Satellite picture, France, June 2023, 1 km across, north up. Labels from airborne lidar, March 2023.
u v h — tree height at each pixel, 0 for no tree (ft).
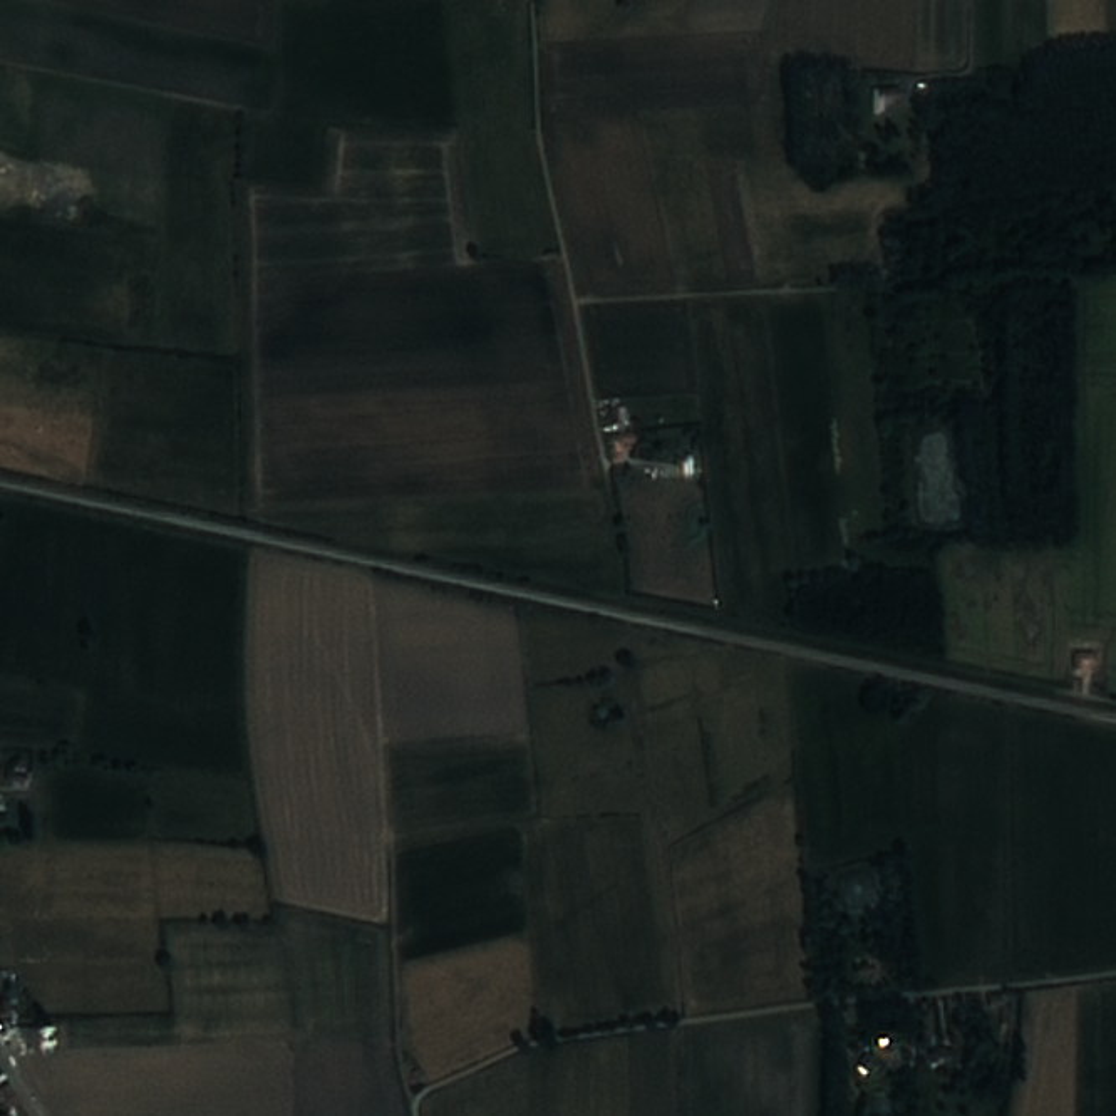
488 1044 0
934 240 34
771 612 0
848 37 0
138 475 0
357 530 0
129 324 0
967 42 0
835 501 0
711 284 0
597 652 0
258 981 0
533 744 0
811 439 0
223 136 0
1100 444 0
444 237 0
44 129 0
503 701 0
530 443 0
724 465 0
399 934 0
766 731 0
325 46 0
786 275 0
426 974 0
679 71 0
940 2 0
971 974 0
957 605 0
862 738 0
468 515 0
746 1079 0
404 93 0
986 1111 0
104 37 0
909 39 0
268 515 0
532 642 0
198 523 0
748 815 0
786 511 0
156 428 0
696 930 0
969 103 69
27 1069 0
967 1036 51
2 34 0
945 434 0
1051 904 0
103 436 0
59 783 0
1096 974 0
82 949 0
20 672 0
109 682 0
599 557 0
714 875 0
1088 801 0
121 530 0
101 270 0
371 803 0
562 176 0
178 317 0
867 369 0
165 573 0
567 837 0
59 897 0
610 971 0
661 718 0
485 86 0
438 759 0
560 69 0
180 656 0
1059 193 50
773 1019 0
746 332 0
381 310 0
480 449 0
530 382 0
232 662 0
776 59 0
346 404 0
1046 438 81
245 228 0
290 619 0
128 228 0
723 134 0
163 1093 0
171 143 0
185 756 0
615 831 0
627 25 0
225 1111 0
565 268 0
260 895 0
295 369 0
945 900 0
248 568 0
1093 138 94
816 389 0
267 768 0
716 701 0
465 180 0
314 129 0
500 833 0
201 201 0
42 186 0
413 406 0
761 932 0
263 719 0
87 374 0
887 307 21
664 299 0
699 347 0
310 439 0
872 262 0
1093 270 60
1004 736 0
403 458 0
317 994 0
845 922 43
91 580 0
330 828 0
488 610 0
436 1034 0
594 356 0
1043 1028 0
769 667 0
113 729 0
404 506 0
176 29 0
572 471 0
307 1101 0
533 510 0
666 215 0
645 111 0
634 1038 0
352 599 0
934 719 0
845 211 0
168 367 0
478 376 0
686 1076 0
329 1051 0
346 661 0
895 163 38
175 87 0
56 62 0
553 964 0
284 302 0
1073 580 0
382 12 0
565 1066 0
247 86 0
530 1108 0
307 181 0
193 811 0
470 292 0
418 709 0
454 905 0
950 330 0
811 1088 0
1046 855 0
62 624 0
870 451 0
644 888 0
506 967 0
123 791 0
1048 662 0
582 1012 0
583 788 0
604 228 0
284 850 0
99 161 0
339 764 0
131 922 0
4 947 0
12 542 0
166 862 0
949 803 0
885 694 48
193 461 0
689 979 0
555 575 0
